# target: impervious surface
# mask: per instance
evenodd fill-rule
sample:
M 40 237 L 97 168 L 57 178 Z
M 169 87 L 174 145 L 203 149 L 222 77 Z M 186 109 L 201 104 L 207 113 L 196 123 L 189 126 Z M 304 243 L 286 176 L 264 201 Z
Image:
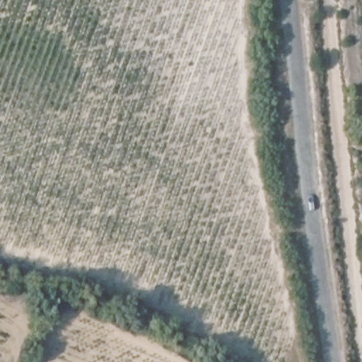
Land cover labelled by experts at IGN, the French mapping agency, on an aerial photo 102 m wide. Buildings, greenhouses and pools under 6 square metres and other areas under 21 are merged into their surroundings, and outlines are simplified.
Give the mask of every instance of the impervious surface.
M 307 236 L 308 246 L 311 247 L 311 269 L 318 283 L 317 305 L 325 317 L 321 339 L 327 355 L 324 355 L 320 362 L 339 362 L 338 351 L 328 339 L 332 332 L 335 332 L 335 328 L 321 239 L 320 198 L 314 187 L 311 117 L 308 116 L 307 105 L 310 89 L 305 85 L 303 38 L 296 0 L 280 0 L 281 16 L 284 17 L 284 38 L 291 45 L 291 52 L 286 58 L 287 71 L 284 75 L 291 92 L 290 119 L 294 123 L 294 151 L 300 178 L 298 188 L 304 206 L 304 225 L 301 228 Z

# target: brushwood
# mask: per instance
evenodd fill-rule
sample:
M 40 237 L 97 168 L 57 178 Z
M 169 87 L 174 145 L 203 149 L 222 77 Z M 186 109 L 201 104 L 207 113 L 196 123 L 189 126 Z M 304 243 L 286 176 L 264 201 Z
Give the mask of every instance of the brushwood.
M 321 57 L 327 49 L 324 48 L 322 28 L 325 18 L 334 14 L 334 7 L 325 6 L 324 0 L 314 0 L 317 3 L 317 11 L 310 18 L 313 52 L 317 57 Z
M 328 219 L 331 222 L 334 252 L 337 253 L 335 271 L 341 284 L 341 311 L 345 314 L 348 362 L 362 362 L 362 349 L 356 344 L 356 321 L 352 313 L 346 274 L 348 266 L 345 262 L 344 226 L 337 188 L 337 164 L 332 154 L 329 126 L 328 71 L 321 66 L 314 72 L 315 89 L 320 96 L 322 146 L 327 167 L 327 199 L 332 205 Z

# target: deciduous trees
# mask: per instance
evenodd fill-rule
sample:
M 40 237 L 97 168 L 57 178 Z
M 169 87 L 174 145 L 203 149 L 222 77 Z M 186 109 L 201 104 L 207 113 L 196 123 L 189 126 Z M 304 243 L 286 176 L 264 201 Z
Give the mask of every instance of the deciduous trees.
M 48 362 L 64 352 L 66 342 L 61 339 L 62 329 L 71 324 L 81 311 L 92 315 L 96 320 L 112 322 L 117 328 L 124 329 L 132 335 L 143 335 L 153 339 L 167 351 L 181 356 L 188 362 L 247 362 L 246 356 L 239 355 L 232 348 L 226 349 L 226 346 L 219 345 L 214 339 L 202 338 L 199 332 L 189 332 L 191 322 L 181 322 L 178 325 L 177 322 L 171 321 L 170 314 L 151 305 L 147 294 L 143 298 L 137 298 L 137 310 L 126 307 L 122 298 L 110 296 L 109 291 L 100 293 L 99 284 L 93 281 L 86 284 L 79 283 L 72 277 L 41 277 L 35 271 L 40 266 L 45 266 L 42 260 L 8 256 L 4 253 L 4 247 L 0 245 L 0 296 L 18 296 L 25 303 L 25 313 L 28 314 L 30 334 L 25 338 L 17 362 Z
M 317 57 L 313 52 L 311 69 L 314 72 L 321 66 L 328 71 L 335 62 L 332 61 L 327 49 L 321 57 Z
M 291 246 L 288 235 L 293 228 L 293 215 L 287 208 L 283 208 L 284 182 L 279 171 L 280 153 L 276 144 L 271 143 L 267 136 L 269 127 L 277 115 L 277 99 L 269 86 L 270 74 L 266 69 L 267 62 L 274 57 L 274 45 L 279 44 L 279 37 L 271 34 L 269 30 L 271 0 L 246 0 L 243 21 L 247 27 L 247 38 L 246 68 L 250 72 L 247 93 L 247 106 L 250 124 L 256 130 L 256 154 L 269 206 L 273 208 L 273 218 L 283 228 L 280 240 L 281 256 L 284 269 L 290 274 L 288 280 L 291 290 L 288 291 L 288 297 L 296 303 L 297 334 L 298 338 L 308 362 L 315 362 L 317 344 L 311 335 L 313 325 L 305 308 L 307 290 L 298 274 L 304 266 L 298 259 L 297 250 Z

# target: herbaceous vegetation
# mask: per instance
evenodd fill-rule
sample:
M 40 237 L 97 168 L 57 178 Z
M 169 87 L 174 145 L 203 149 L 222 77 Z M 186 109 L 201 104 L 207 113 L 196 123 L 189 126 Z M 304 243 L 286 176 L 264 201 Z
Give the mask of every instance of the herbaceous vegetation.
M 362 0 L 335 0 L 344 1 L 344 7 L 337 16 L 337 49 L 342 55 L 337 65 L 344 92 L 344 132 L 348 137 L 351 165 L 356 255 L 362 274 Z
M 298 188 L 300 178 L 294 151 L 294 123 L 290 119 L 291 92 L 284 75 L 287 71 L 286 58 L 291 52 L 291 45 L 284 38 L 284 17 L 281 16 L 280 0 L 271 0 L 269 30 L 271 34 L 279 37 L 279 44 L 274 45 L 274 57 L 267 62 L 266 69 L 270 74 L 269 86 L 277 99 L 277 115 L 269 127 L 267 136 L 271 143 L 276 144 L 280 153 L 279 171 L 284 182 L 283 208 L 287 208 L 293 215 L 293 228 L 288 235 L 291 246 L 297 250 L 298 259 L 304 266 L 298 274 L 307 290 L 305 308 L 313 325 L 311 335 L 317 344 L 315 362 L 320 362 L 324 355 L 327 355 L 321 339 L 325 317 L 317 305 L 318 283 L 311 269 L 311 247 L 308 246 L 307 236 L 301 228 L 304 225 L 304 206 Z
M 332 205 L 327 199 L 327 167 L 322 146 L 320 96 L 315 89 L 314 72 L 311 69 L 313 52 L 310 18 L 317 11 L 317 3 L 314 0 L 296 0 L 303 38 L 305 85 L 310 89 L 307 105 L 308 116 L 311 117 L 314 187 L 320 198 L 321 239 L 335 328 L 335 332 L 332 332 L 328 339 L 338 351 L 339 362 L 348 362 L 345 314 L 341 311 L 341 284 L 335 271 L 337 253 L 334 252 L 331 222 L 328 219 Z
M 293 348 L 287 349 L 286 358 L 281 358 L 280 362 L 308 362 L 298 338 Z

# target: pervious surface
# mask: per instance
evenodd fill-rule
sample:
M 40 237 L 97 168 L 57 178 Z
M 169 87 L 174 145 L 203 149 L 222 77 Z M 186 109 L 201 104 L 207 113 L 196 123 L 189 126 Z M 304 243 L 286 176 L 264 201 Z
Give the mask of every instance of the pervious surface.
M 346 274 L 352 313 L 356 321 L 356 344 L 362 349 L 362 274 L 356 255 L 351 165 L 348 137 L 344 132 L 344 92 L 337 65 L 342 55 L 337 49 L 337 16 L 344 7 L 344 1 L 335 0 L 324 0 L 325 6 L 334 7 L 334 14 L 325 18 L 322 28 L 324 48 L 327 49 L 332 61 L 335 62 L 328 71 L 329 126 L 332 154 L 337 164 L 337 188 L 344 226 L 345 262 L 348 266 Z

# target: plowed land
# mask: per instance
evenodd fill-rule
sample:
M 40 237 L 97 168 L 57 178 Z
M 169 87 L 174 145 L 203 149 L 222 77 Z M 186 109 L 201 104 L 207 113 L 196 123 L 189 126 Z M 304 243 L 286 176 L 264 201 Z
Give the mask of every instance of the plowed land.
M 294 337 L 297 334 L 296 303 L 288 297 L 288 291 L 286 288 L 274 294 L 276 305 L 269 321 L 283 321 L 283 329 L 274 332 L 277 338 Z
M 269 239 L 271 236 L 269 206 L 256 154 L 256 130 L 250 124 L 247 106 L 240 117 L 243 140 L 239 146 L 247 150 L 245 160 L 247 173 L 250 175 L 246 182 L 247 185 L 256 185 L 259 191 L 257 208 L 262 209 L 259 225 L 263 225 L 263 239 Z
M 279 284 L 286 281 L 284 269 L 281 256 L 274 250 L 270 253 L 269 264 L 276 267 Z
M 236 48 L 239 98 L 243 98 L 247 93 L 250 72 L 246 68 L 247 38 L 245 35 L 239 37 Z

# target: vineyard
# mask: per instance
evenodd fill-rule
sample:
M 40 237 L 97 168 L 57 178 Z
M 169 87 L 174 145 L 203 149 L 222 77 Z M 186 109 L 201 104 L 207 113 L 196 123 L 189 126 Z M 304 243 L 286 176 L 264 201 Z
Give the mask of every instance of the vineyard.
M 280 362 L 281 358 L 286 358 L 287 349 L 293 348 L 298 338 L 297 334 L 294 337 L 277 338 L 274 332 L 283 329 L 283 321 L 269 321 L 276 305 L 274 294 L 286 288 L 288 291 L 291 290 L 288 280 L 290 274 L 284 269 L 286 281 L 279 284 L 276 267 L 269 264 L 270 253 L 274 250 L 281 256 L 280 240 L 283 228 L 273 218 L 273 208 L 269 206 L 271 236 L 269 239 L 263 239 L 263 225 L 259 225 L 262 209 L 257 208 L 259 191 L 256 185 L 247 185 L 246 182 L 250 175 L 247 173 L 245 160 L 247 150 L 239 146 L 243 140 L 240 117 L 247 106 L 247 93 L 243 98 L 239 98 L 236 48 L 239 37 L 245 35 L 247 38 L 247 27 L 243 21 L 246 0 L 0 0 L 0 245 L 4 247 L 4 253 L 8 256 L 42 260 L 45 266 L 40 266 L 35 271 L 41 277 L 72 277 L 79 283 L 86 284 L 93 281 L 99 284 L 100 293 L 109 291 L 110 296 L 122 298 L 126 307 L 137 310 L 137 298 L 143 298 L 147 294 L 151 305 L 170 314 L 171 321 L 177 322 L 178 325 L 181 322 L 191 322 L 189 332 L 199 332 L 202 338 L 214 339 L 219 345 L 226 346 L 226 349 L 232 348 L 239 355 L 246 356 L 247 362 Z
M 30 334 L 28 314 L 25 313 L 25 303 L 18 296 L 0 296 L 0 362 L 17 362 L 25 338 Z
M 66 342 L 64 352 L 48 362 L 188 362 L 181 356 L 167 351 L 153 339 L 143 335 L 132 335 L 124 329 L 117 328 L 112 322 L 96 320 L 92 315 L 81 311 L 71 324 L 62 329 L 61 339 Z

